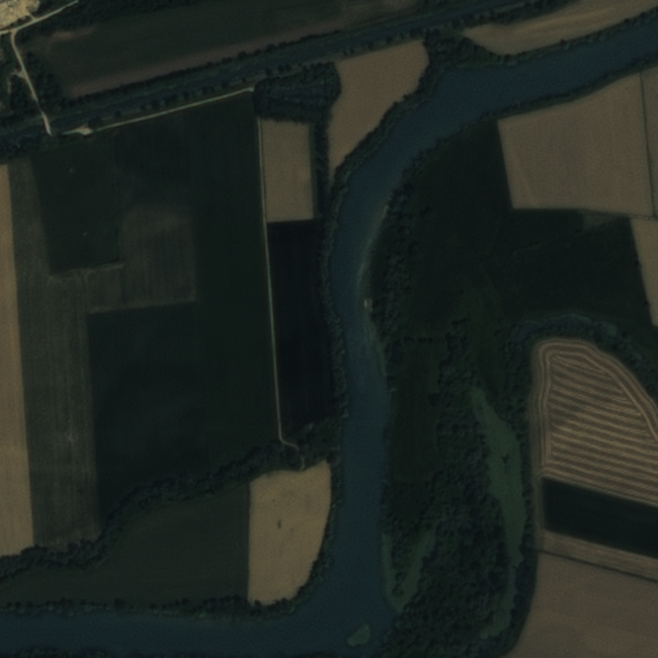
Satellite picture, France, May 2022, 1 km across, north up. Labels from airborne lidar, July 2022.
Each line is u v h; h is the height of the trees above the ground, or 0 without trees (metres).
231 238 0
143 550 0
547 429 0
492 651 9
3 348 0
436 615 19
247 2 0
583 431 0
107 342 0
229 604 14
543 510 0
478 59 10
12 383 0
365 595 0
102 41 0
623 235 0
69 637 0
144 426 0
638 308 0
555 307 0
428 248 0
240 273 0
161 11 16
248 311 0
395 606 0
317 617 0
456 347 27
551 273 0
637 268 11
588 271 0
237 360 0
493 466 0
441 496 19
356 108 0
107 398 0
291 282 0
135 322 0
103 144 0
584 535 0
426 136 0
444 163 0
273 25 0
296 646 0
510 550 0
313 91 0
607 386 0
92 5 9
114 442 0
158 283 0
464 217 0
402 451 0
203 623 0
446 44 12
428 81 15
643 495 0
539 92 0
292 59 0
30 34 13
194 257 0
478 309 0
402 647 15
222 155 0
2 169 0
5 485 0
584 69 0
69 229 0
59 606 15
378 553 0
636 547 0
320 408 0
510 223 0
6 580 17
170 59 0
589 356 0
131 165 0
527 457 8
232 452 0
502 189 0
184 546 0
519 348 11
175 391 0
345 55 10
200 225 0
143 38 0
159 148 0
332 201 18
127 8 15
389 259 12
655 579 0
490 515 12
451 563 16
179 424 0
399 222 20
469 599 18
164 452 0
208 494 9
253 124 0
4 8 0
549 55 0
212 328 0
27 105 16
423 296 0
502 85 0
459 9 0
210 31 0
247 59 17
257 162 0
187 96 13
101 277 0
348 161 7
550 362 0
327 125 21
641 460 0
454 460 9
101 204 0
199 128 0
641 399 0
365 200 0
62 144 20
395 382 11
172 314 0
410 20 0
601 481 0
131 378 0
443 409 9
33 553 12
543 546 0
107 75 0
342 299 0
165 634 0
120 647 0
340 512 0
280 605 14
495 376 0
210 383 0
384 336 16
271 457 20
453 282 0
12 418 0
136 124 0
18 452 0
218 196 0
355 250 0
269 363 0
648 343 0
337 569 0
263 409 0
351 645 0
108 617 0
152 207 0
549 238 0
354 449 0
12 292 0
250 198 0
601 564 0
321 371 0
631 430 0
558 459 0
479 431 14
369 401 0
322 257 15
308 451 15
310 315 0
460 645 19
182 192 0
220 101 0
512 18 11
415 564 0
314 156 0
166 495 24
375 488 0
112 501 0
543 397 0
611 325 0
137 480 0
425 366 0
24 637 0
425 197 0
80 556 22
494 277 0
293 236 0
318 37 8
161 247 0
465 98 0
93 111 0
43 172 0
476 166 0
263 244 0
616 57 0
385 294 19
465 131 15
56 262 0
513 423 9
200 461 0
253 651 0
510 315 0
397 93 0
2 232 0
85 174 0
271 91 16
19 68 6
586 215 0
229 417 0
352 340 0
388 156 0
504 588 27
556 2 7
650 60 18
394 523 16
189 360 0
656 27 0
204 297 0
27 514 0
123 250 0
